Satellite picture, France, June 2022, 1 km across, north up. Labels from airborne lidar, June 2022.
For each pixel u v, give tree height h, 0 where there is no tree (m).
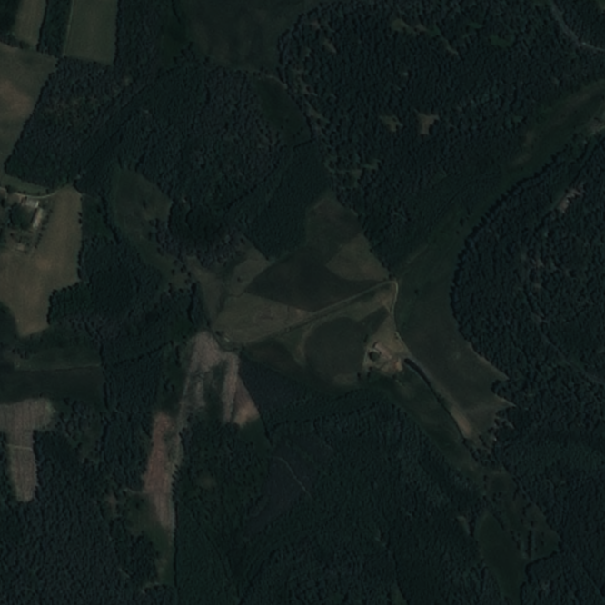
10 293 0
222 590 15
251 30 0
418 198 18
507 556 0
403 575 20
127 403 21
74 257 0
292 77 16
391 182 24
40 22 0
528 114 26
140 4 20
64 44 13
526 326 24
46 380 0
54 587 23
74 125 10
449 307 0
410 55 23
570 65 26
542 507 10
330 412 13
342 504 13
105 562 20
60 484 24
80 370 0
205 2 0
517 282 27
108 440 24
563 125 0
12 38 12
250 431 0
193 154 25
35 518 17
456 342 0
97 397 0
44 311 0
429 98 17
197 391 0
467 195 18
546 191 25
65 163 20
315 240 0
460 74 24
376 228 13
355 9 22
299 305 0
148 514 0
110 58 0
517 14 18
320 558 17
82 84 21
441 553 15
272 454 6
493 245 27
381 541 9
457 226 0
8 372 0
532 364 30
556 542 0
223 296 0
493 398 0
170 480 0
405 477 24
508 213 23
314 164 20
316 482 10
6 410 0
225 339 0
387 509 13
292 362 0
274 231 18
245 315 0
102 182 27
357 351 0
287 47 18
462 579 20
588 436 19
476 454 13
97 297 18
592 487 31
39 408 0
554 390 27
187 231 17
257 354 0
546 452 30
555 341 20
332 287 0
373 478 15
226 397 0
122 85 19
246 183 21
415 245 18
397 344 0
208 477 0
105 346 24
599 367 19
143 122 30
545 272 26
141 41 17
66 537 21
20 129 0
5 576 11
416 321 0
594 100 0
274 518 7
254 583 21
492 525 0
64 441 16
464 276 26
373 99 27
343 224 0
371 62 24
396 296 0
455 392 0
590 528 33
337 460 13
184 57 8
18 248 0
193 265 0
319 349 0
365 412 25
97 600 23
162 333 23
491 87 22
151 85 18
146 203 12
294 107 0
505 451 21
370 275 0
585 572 23
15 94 0
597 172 24
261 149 15
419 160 24
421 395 0
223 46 0
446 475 22
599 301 21
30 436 0
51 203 0
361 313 0
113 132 18
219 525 10
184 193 32
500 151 21
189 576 16
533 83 27
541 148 0
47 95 18
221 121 17
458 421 0
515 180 0
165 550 0
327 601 27
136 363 20
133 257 31
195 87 19
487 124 28
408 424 25
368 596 21
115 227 28
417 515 22
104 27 0
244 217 28
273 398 8
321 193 19
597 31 22
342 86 25
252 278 0
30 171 22
